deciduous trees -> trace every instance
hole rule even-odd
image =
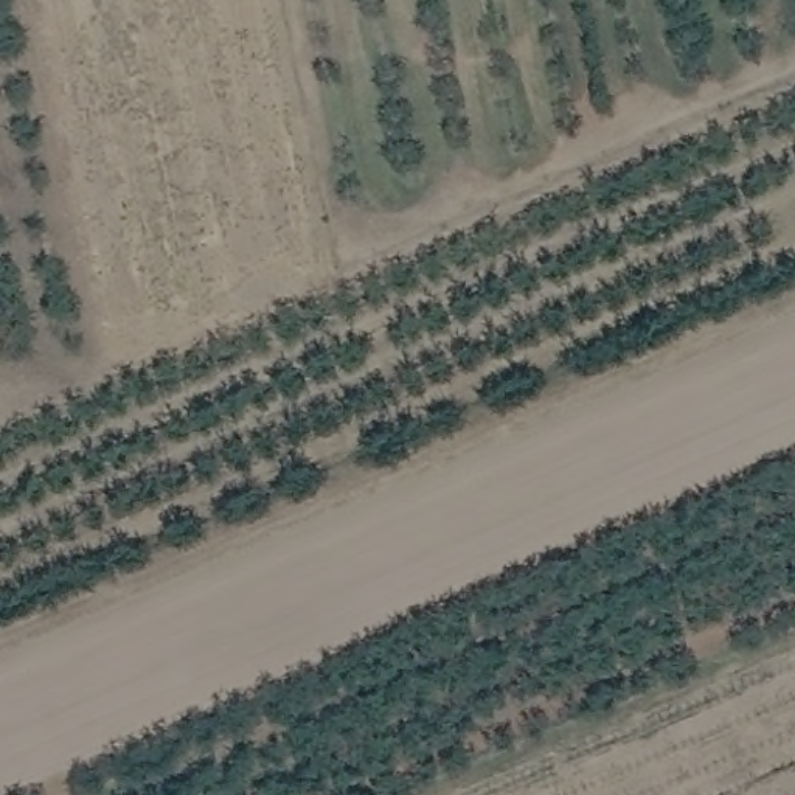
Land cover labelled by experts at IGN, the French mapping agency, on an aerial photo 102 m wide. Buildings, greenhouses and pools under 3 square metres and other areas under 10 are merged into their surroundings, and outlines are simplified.
[[[9,75],[3,81],[3,93],[9,102],[16,102],[28,99],[31,87],[31,75],[25,71]]]
[[[25,50],[25,28],[12,16],[12,0],[0,0],[0,59],[19,56]]]
[[[795,627],[795,460],[773,463],[752,481],[733,488],[717,488],[714,481],[708,488],[683,491],[674,503],[658,503],[634,516],[612,519],[596,531],[584,531],[575,537],[571,547],[578,550],[575,559],[559,559],[547,562],[543,568],[531,568],[528,575],[519,575],[497,590],[484,590],[469,602],[457,602],[447,612],[435,612],[425,618],[416,618],[410,612],[401,615],[404,627],[398,627],[394,634],[376,640],[366,649],[357,646],[345,658],[335,652],[323,652],[317,665],[298,665],[286,677],[261,677],[252,689],[230,693],[227,702],[217,702],[208,711],[186,711],[180,720],[168,727],[155,724],[149,733],[127,739],[118,752],[106,752],[87,764],[71,764],[68,795],[441,795],[463,773],[469,767],[469,752],[463,745],[463,736],[472,730],[475,717],[491,714],[506,699],[543,693],[562,699],[562,708],[571,720],[590,714],[606,720],[615,702],[624,696],[643,693],[655,683],[683,686],[686,680],[693,680],[699,674],[699,661],[686,649],[683,637],[720,621],[724,612],[733,612],[733,649],[773,646],[789,627]],[[217,736],[230,736],[233,742],[224,761],[202,758],[189,764],[183,773],[174,770],[174,758],[183,748],[214,742]]]
[[[68,568],[56,568],[16,593],[0,593],[0,627],[22,615],[31,615],[34,609],[56,606],[71,593],[93,590],[109,575],[143,568],[149,556],[146,540],[130,537],[127,547],[115,547],[102,559],[84,559]]]
[[[34,267],[34,273],[43,283],[40,304],[47,317],[75,317],[81,311],[78,295],[68,286],[68,270],[62,258],[47,255],[43,264]]]
[[[484,0],[484,16],[478,22],[481,40],[488,34],[500,34],[509,28],[503,6],[497,6],[494,0]]]
[[[31,146],[40,137],[40,118],[12,115],[9,137],[16,140],[16,146]]]
[[[376,118],[382,124],[382,155],[394,171],[419,168],[425,149],[416,137],[410,137],[413,106],[401,96],[407,62],[401,56],[376,56],[373,87],[379,93]]]
[[[770,217],[748,214],[748,242],[764,245],[770,239]]]
[[[742,304],[764,301],[786,289],[795,289],[795,258],[789,255],[786,264],[776,264],[773,258],[761,264],[755,276],[745,276],[739,270],[724,276],[720,283],[699,286],[686,295],[677,295],[677,301],[665,301],[668,307],[655,320],[646,320],[630,332],[584,348],[568,323],[590,320],[599,311],[621,307],[627,298],[646,292],[649,286],[677,283],[686,273],[708,270],[708,264],[717,258],[736,255],[736,239],[724,227],[711,239],[693,239],[674,255],[658,255],[649,264],[627,267],[624,273],[618,273],[593,292],[578,289],[571,295],[553,298],[540,304],[537,314],[519,314],[509,326],[494,326],[481,338],[457,338],[453,345],[441,342],[435,351],[422,351],[413,360],[401,360],[388,376],[366,376],[360,385],[345,388],[338,398],[314,398],[307,410],[283,413],[283,422],[252,429],[252,441],[239,441],[239,435],[230,435],[217,447],[196,450],[180,463],[158,463],[155,469],[137,472],[134,478],[112,481],[106,488],[112,512],[130,516],[155,503],[161,494],[180,494],[186,484],[211,481],[217,469],[233,466],[242,484],[233,484],[211,500],[220,522],[255,522],[276,500],[304,500],[317,494],[317,488],[326,481],[326,469],[320,463],[304,460],[304,438],[329,435],[338,425],[345,425],[354,413],[363,413],[376,404],[388,404],[398,394],[419,394],[425,385],[447,382],[453,373],[472,370],[484,357],[500,357],[512,348],[534,345],[540,335],[562,332],[575,345],[562,348],[556,360],[575,376],[602,373],[606,366],[618,366],[627,357],[637,357],[671,342],[683,329],[693,329],[699,323],[717,323],[736,314]]]
[[[394,466],[410,450],[419,450],[432,438],[453,435],[463,425],[463,407],[457,401],[435,401],[429,404],[425,416],[401,413],[398,419],[373,422],[360,432],[360,441],[354,447],[354,463],[363,466]]]
[[[236,391],[220,404],[211,404],[205,410],[183,407],[174,410],[165,422],[134,432],[106,432],[102,441],[93,447],[47,460],[43,472],[25,469],[16,478],[16,484],[0,481],[0,516],[12,512],[22,503],[40,503],[47,494],[71,488],[71,481],[81,475],[96,478],[102,469],[121,469],[134,453],[149,453],[158,444],[208,432],[224,419],[239,416],[245,407],[264,407],[279,394],[298,394],[307,382],[323,382],[335,370],[354,370],[370,354],[370,335],[342,335],[332,345],[323,345],[320,357],[307,363],[295,357],[289,363],[279,363],[279,376],[270,376],[267,382],[255,379],[248,388]]]
[[[739,47],[739,53],[758,62],[761,31],[733,28],[733,43]]]
[[[491,50],[488,68],[494,78],[503,81],[516,68],[516,59],[506,50]]]
[[[531,264],[506,264],[503,273],[484,273],[484,279],[475,286],[453,286],[447,304],[422,301],[419,307],[398,307],[394,320],[388,320],[391,345],[413,342],[422,332],[441,332],[447,323],[457,320],[472,320],[481,307],[500,307],[503,301],[509,301],[509,295],[528,295],[547,279],[565,279],[568,273],[578,273],[596,261],[612,261],[627,245],[658,242],[683,227],[705,224],[717,211],[736,208],[739,199],[755,199],[767,189],[783,186],[789,177],[789,158],[767,155],[758,165],[748,165],[742,177],[705,180],[705,186],[693,186],[689,177],[705,161],[730,161],[733,146],[742,140],[755,143],[758,137],[779,137],[786,130],[795,130],[795,87],[783,96],[773,96],[767,109],[739,112],[727,130],[711,121],[705,134],[680,137],[677,143],[668,143],[661,149],[643,149],[640,158],[630,158],[606,174],[596,174],[584,165],[581,189],[559,189],[537,202],[528,202],[503,224],[497,224],[497,217],[481,217],[469,230],[432,239],[410,258],[398,255],[388,267],[370,267],[360,276],[338,279],[332,295],[307,295],[273,301],[273,314],[261,314],[255,326],[239,326],[236,332],[214,329],[208,332],[208,338],[199,338],[183,354],[158,351],[140,370],[121,370],[118,376],[109,376],[90,398],[65,391],[68,416],[59,416],[53,404],[40,404],[37,416],[0,425],[0,466],[31,444],[65,441],[81,425],[96,425],[102,416],[121,416],[127,407],[171,394],[177,385],[202,379],[211,370],[230,366],[242,357],[255,357],[267,351],[267,345],[276,338],[292,342],[301,329],[323,326],[326,317],[335,314],[357,317],[366,307],[379,307],[388,298],[388,292],[410,292],[425,276],[441,279],[441,273],[453,264],[469,267],[481,255],[497,255],[506,245],[522,245],[531,236],[550,236],[568,220],[578,233],[571,245],[559,252],[540,252]],[[652,193],[652,186],[677,189],[677,202],[652,205],[643,214],[624,220],[621,230],[596,224],[596,214],[602,208],[612,211],[624,199]]]
[[[193,509],[168,509],[161,516],[158,534],[171,547],[189,547],[202,534],[202,519]]]
[[[693,78],[696,84],[708,78],[705,53],[714,40],[714,28],[702,9],[702,0],[658,0],[658,9],[665,16],[665,37],[674,50],[677,68],[683,78]]]
[[[612,93],[602,78],[602,50],[590,0],[537,0],[540,6],[550,6],[556,12],[556,22],[540,25],[537,50],[543,59],[553,121],[565,137],[578,134],[581,118],[575,112],[575,102],[587,93],[599,115],[612,112]]]
[[[16,553],[25,550],[43,550],[50,540],[75,537],[75,525],[68,512],[56,509],[47,522],[22,525],[16,534],[0,534],[0,562],[6,565],[9,559],[16,559]]]
[[[432,93],[441,109],[441,134],[453,149],[469,146],[469,121],[463,115],[463,90],[457,81],[447,0],[416,0],[413,19],[416,28],[429,34],[425,59],[435,75]]]
[[[22,360],[25,354],[31,354],[34,326],[22,295],[19,270],[9,255],[0,255],[0,357]]]
[[[528,730],[528,739],[540,742],[547,730],[547,714],[540,708],[528,708],[522,711],[522,724]]]
[[[516,376],[488,394],[478,391],[484,407],[494,410],[506,413],[512,407],[522,407],[525,401],[537,398],[547,385],[543,370],[531,366],[528,376]]]

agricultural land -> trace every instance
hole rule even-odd
[[[329,180],[332,155],[320,106],[320,81],[314,75],[317,56],[301,19],[301,0],[12,0],[12,16],[25,28],[25,50],[19,56],[25,59],[25,71],[31,75],[31,87],[50,93],[59,118],[47,127],[68,143],[68,211],[78,245],[90,255],[90,276],[78,295],[81,311],[81,335],[90,338],[99,348],[99,354],[121,370],[140,370],[158,351],[183,354],[199,338],[208,338],[208,332],[214,329],[236,332],[239,326],[255,326],[261,314],[273,314],[273,301],[307,295],[314,289],[314,264],[329,264],[329,239],[345,236],[348,227],[338,220],[323,224],[317,208],[317,199],[335,183]]]
[[[568,764],[556,745],[540,745],[531,758],[494,776],[466,779],[463,773],[441,795],[795,795],[795,671],[776,674],[773,680],[752,686],[736,699],[717,702],[699,711],[696,717],[665,727],[652,739],[615,745],[575,764]]]
[[[795,444],[795,289],[786,289],[764,301],[742,304],[736,314],[717,323],[699,323],[693,329],[683,329],[671,342],[637,357],[627,357],[618,366],[606,366],[602,373],[575,376],[565,385],[547,385],[537,398],[525,401],[522,407],[512,407],[506,413],[494,410],[484,422],[463,425],[453,435],[432,438],[419,450],[410,450],[394,466],[363,466],[348,481],[326,481],[317,488],[317,494],[304,500],[276,500],[255,522],[220,522],[217,528],[202,534],[189,547],[171,547],[149,556],[143,568],[109,575],[93,590],[71,593],[56,606],[34,609],[31,615],[22,615],[0,627],[0,795],[68,795],[71,764],[87,764],[106,752],[118,752],[127,739],[149,733],[155,724],[168,727],[180,720],[186,711],[208,711],[217,702],[227,702],[230,693],[252,689],[261,677],[286,677],[298,665],[317,665],[323,652],[335,652],[338,646],[401,615],[410,612],[413,606],[425,606],[447,593],[457,593],[481,578],[494,578],[506,565],[525,562],[528,556],[556,547],[571,547],[575,537],[584,531],[596,531],[612,519],[634,516],[658,503],[674,503],[683,491],[708,488],[714,481],[758,463],[767,453]]]

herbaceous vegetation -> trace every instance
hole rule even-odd
[[[202,758],[224,761],[233,742],[230,736],[217,736],[214,742],[183,748],[174,758],[174,770],[183,773],[189,764]]]
[[[366,649],[376,640],[394,634],[398,627],[404,627],[401,615],[338,646],[335,652],[345,658],[357,646]]]
[[[47,255],[62,258],[68,270],[68,286],[78,295],[90,276],[90,255],[78,245],[68,211],[68,143],[47,127],[59,118],[50,93],[31,87],[28,99],[16,102],[9,102],[3,93],[3,81],[9,75],[25,71],[25,59],[19,56],[0,59],[0,255],[9,255],[19,270],[22,295],[34,326],[31,354],[25,354],[22,360],[0,357],[0,425],[37,416],[40,404],[53,404],[59,416],[68,416],[65,391],[90,398],[109,376],[118,376],[121,370],[99,354],[99,348],[90,338],[81,335],[81,311],[75,317],[47,317],[40,304],[43,283],[34,273],[34,267],[43,264]],[[16,140],[9,137],[12,115],[40,118],[40,137],[31,146],[16,146]]]
[[[621,230],[624,220],[643,214],[652,205],[677,202],[677,189],[652,186],[652,193],[624,199],[612,211],[602,208],[596,214],[596,224]]]
[[[401,360],[413,360],[422,351],[435,351],[441,342],[453,345],[457,338],[481,338],[494,326],[509,326],[519,314],[537,314],[540,304],[553,298],[571,295],[578,289],[593,292],[618,273],[624,273],[627,267],[649,264],[658,255],[674,255],[693,239],[711,239],[724,227],[736,239],[736,255],[717,258],[708,264],[708,270],[686,273],[677,283],[649,286],[646,292],[627,298],[621,307],[599,311],[590,320],[568,323],[584,348],[630,332],[646,320],[655,320],[668,307],[665,301],[677,301],[677,295],[686,295],[699,286],[720,283],[724,276],[739,270],[745,276],[755,276],[761,264],[773,258],[776,264],[786,264],[789,255],[795,258],[795,130],[786,130],[779,137],[758,137],[755,143],[742,140],[733,146],[730,161],[705,161],[689,177],[693,186],[705,186],[705,180],[742,177],[748,165],[758,165],[767,155],[789,158],[789,177],[783,186],[767,189],[755,199],[739,199],[736,208],[717,211],[705,224],[683,227],[658,242],[627,245],[612,261],[596,261],[578,273],[568,273],[565,279],[547,279],[528,295],[509,295],[509,301],[503,301],[500,307],[481,307],[472,320],[457,320],[447,323],[441,332],[422,332],[413,342],[391,345],[388,320],[394,320],[398,307],[419,307],[422,301],[447,304],[453,286],[475,286],[484,279],[484,273],[503,273],[506,264],[531,264],[540,252],[559,252],[571,245],[578,233],[568,220],[550,236],[531,236],[522,245],[506,245],[497,255],[481,255],[469,267],[453,264],[441,273],[441,279],[425,276],[410,292],[388,292],[388,298],[379,307],[366,307],[357,317],[335,314],[326,317],[323,326],[301,329],[292,342],[276,338],[267,345],[267,351],[255,357],[242,357],[230,366],[211,370],[202,379],[177,385],[171,394],[127,407],[121,416],[102,416],[96,425],[81,425],[65,441],[31,444],[0,466],[0,481],[16,484],[16,478],[25,469],[43,472],[47,460],[93,447],[102,441],[106,432],[134,432],[165,422],[174,410],[183,407],[205,410],[211,404],[220,404],[236,391],[248,388],[255,379],[267,382],[270,376],[279,376],[279,363],[289,363],[295,357],[307,363],[320,357],[323,345],[332,345],[342,335],[370,335],[370,354],[354,370],[335,370],[323,382],[307,382],[298,394],[279,394],[264,407],[245,407],[239,416],[224,419],[208,432],[158,444],[149,453],[134,453],[121,469],[102,469],[96,478],[81,475],[71,481],[71,488],[47,494],[40,503],[22,503],[12,512],[0,516],[0,534],[16,534],[22,525],[47,522],[56,509],[68,512],[75,525],[75,537],[50,540],[43,550],[25,550],[16,553],[16,559],[9,559],[6,565],[0,562],[0,593],[16,593],[56,568],[68,568],[84,559],[102,559],[115,547],[127,547],[130,537],[146,540],[149,556],[171,547],[158,534],[161,516],[168,509],[193,509],[202,519],[202,534],[217,528],[220,522],[211,500],[233,484],[242,484],[233,466],[217,469],[211,481],[186,484],[180,494],[161,494],[155,503],[130,516],[112,512],[106,488],[112,481],[134,478],[137,472],[155,469],[158,463],[180,463],[196,450],[217,447],[230,435],[239,435],[239,441],[252,441],[252,429],[283,422],[283,413],[307,410],[314,398],[338,398],[345,388],[360,385],[366,376],[388,376]],[[764,245],[748,242],[748,214],[770,217],[770,239]]]
[[[413,606],[410,612],[416,618],[425,618],[435,612],[447,612],[457,602],[469,602],[484,590],[497,590],[519,575],[528,575],[531,568],[543,568],[547,562],[559,559],[575,559],[578,550],[571,547],[556,547],[528,556],[525,562],[506,565],[494,578],[481,578],[457,593],[447,593],[425,606]]]
[[[795,460],[795,444],[767,453],[758,463],[714,481],[717,488],[733,488],[752,481],[773,463]]]
[[[363,413],[354,413],[345,425],[338,425],[329,435],[304,438],[304,460],[320,463],[326,469],[326,481],[348,481],[363,466],[354,463],[354,447],[360,441],[360,432],[373,422],[398,419],[401,413],[425,416],[429,404],[435,401],[457,401],[463,407],[463,425],[484,422],[494,410],[484,407],[478,391],[488,394],[516,376],[528,376],[531,366],[543,370],[547,385],[565,385],[575,376],[556,360],[562,348],[575,345],[562,332],[540,335],[534,345],[512,348],[500,357],[484,357],[472,370],[453,373],[447,382],[425,385],[419,394],[398,394],[388,404],[376,404]]]
[[[550,6],[540,6],[537,0],[494,0],[497,6],[503,6],[509,28],[500,34],[488,34],[481,40],[478,22],[484,16],[484,0],[447,0],[457,81],[463,90],[463,115],[469,121],[469,146],[453,149],[441,134],[441,109],[432,93],[435,75],[425,59],[429,34],[416,28],[413,19],[416,0],[301,0],[301,19],[317,56],[314,75],[320,81],[320,106],[332,155],[329,180],[335,183],[317,199],[317,208],[323,224],[338,220],[348,227],[345,236],[329,239],[329,264],[314,264],[314,289],[307,295],[332,295],[338,279],[360,276],[370,267],[388,267],[398,255],[410,258],[432,239],[469,230],[481,217],[497,217],[497,224],[503,224],[528,202],[537,202],[559,189],[581,189],[584,165],[596,174],[606,174],[630,158],[640,158],[643,149],[661,149],[668,143],[677,143],[680,137],[705,134],[711,121],[727,130],[739,112],[767,109],[773,96],[783,96],[795,87],[795,0],[702,0],[702,9],[714,28],[714,40],[705,53],[708,78],[696,84],[693,78],[683,78],[677,68],[674,50],[665,37],[665,16],[658,9],[658,0],[590,0],[602,50],[602,78],[612,93],[612,112],[599,115],[587,93],[575,102],[575,112],[581,118],[578,134],[565,137],[553,121],[543,59],[537,50],[540,25],[556,22],[556,12]],[[758,62],[739,53],[739,47],[733,43],[733,28],[761,31]],[[488,68],[491,50],[506,50],[516,59],[516,68],[503,81],[494,78]],[[373,87],[376,56],[401,56],[407,62],[401,96],[413,106],[410,137],[416,137],[425,149],[419,168],[394,171],[382,155],[382,124],[376,118],[379,93]]]
[[[655,683],[643,693],[624,696],[615,702],[606,720],[590,714],[571,720],[562,708],[562,699],[543,693],[506,699],[491,714],[475,717],[472,730],[463,736],[463,745],[469,752],[469,767],[463,773],[466,779],[494,776],[531,758],[540,745],[556,745],[568,764],[575,764],[615,745],[652,739],[665,727],[696,717],[699,711],[717,702],[736,699],[752,686],[773,680],[776,674],[795,671],[795,627],[789,627],[773,646],[733,649],[733,612],[724,612],[720,621],[683,637],[686,649],[699,661],[699,674],[693,680],[686,680],[683,686]],[[547,730],[540,742],[528,739],[528,730],[522,724],[522,711],[528,708],[540,708],[547,714]]]

